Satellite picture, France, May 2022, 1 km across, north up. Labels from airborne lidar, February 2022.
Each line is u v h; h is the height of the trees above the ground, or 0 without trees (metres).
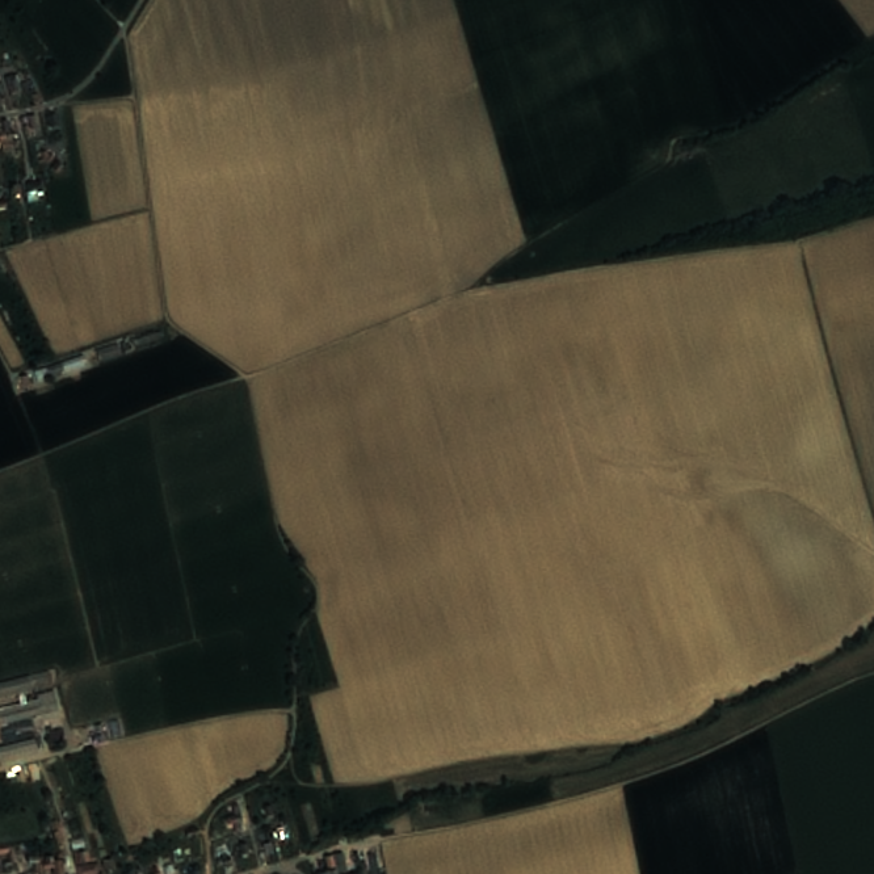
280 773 0
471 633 0
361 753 0
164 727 0
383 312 0
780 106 9
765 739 0
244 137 0
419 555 0
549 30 0
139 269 0
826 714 0
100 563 0
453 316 0
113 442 0
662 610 0
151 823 0
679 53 0
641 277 0
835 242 0
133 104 0
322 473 0
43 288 0
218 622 0
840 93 0
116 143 0
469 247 0
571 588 0
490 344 0
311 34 0
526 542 0
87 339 0
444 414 0
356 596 0
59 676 0
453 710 0
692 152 0
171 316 0
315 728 0
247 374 0
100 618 0
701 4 0
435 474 0
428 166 0
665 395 0
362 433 0
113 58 0
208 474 0
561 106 0
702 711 0
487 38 0
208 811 0
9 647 0
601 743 0
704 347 0
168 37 0
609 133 0
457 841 0
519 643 0
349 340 0
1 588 0
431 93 0
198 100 0
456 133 0
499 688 0
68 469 0
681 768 0
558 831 0
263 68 0
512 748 0
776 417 0
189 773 0
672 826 0
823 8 0
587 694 0
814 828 0
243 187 0
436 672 0
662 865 0
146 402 0
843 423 0
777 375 0
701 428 0
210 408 0
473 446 0
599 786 0
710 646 0
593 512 0
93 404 0
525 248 0
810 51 0
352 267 0
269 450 0
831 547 0
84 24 0
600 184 0
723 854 0
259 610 0
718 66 0
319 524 0
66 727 0
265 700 0
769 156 0
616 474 0
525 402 0
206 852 0
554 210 0
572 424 0
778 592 0
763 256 0
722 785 0
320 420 0
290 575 0
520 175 0
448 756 0
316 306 0
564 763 0
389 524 0
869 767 0
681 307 0
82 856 0
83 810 0
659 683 0
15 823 0
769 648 0
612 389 0
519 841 0
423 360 0
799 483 0
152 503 0
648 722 0
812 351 0
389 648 0
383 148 0
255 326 0
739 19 0
